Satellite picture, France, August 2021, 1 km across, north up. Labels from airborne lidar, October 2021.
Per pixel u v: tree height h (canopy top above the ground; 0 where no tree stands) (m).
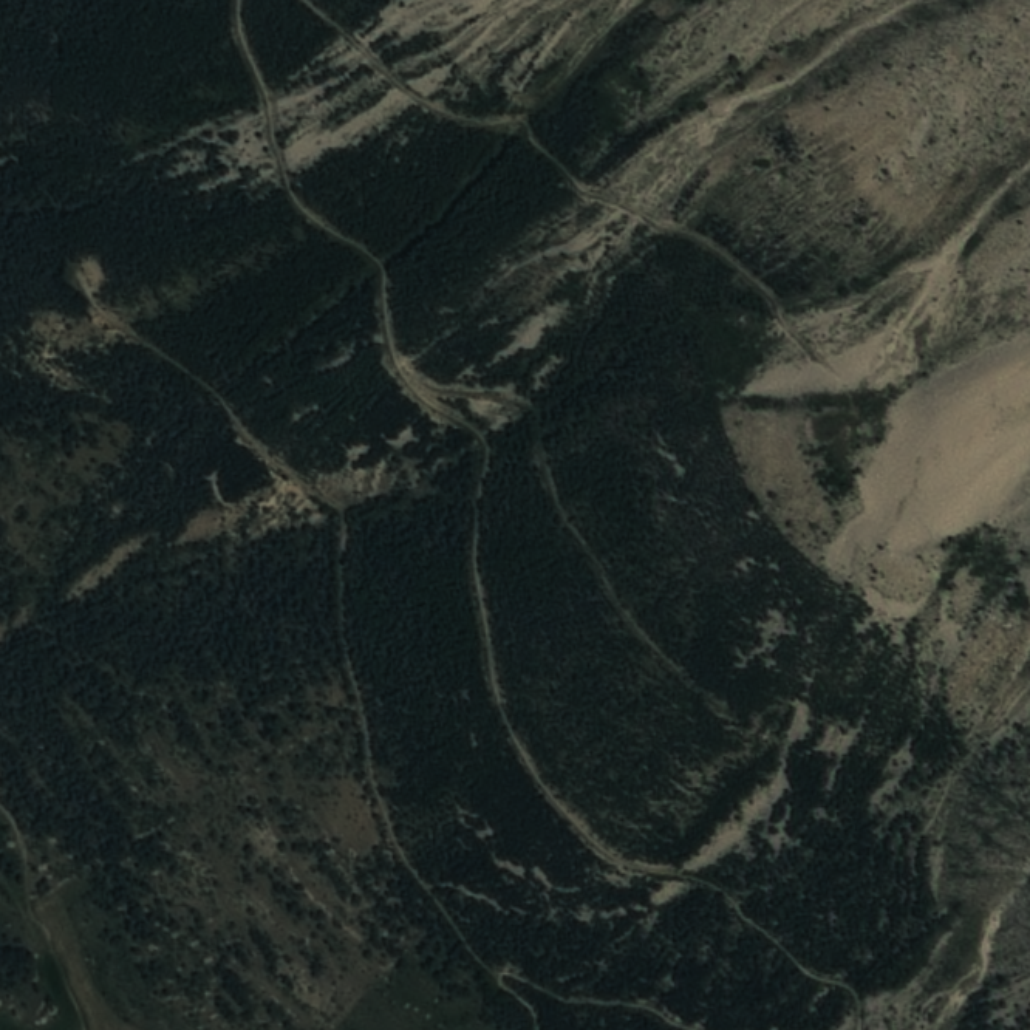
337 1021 0
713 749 6
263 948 8
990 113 0
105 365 11
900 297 0
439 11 0
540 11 0
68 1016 0
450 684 10
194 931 10
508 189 13
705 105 0
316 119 0
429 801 8
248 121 0
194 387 9
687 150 0
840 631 6
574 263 0
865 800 9
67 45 10
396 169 8
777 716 6
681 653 8
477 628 11
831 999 11
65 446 9
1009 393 0
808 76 0
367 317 7
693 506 7
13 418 8
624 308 12
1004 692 0
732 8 0
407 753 8
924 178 0
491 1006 9
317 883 0
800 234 0
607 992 11
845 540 0
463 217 12
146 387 7
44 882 8
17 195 16
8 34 9
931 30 0
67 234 9
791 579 6
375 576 8
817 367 0
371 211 14
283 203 9
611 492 8
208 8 6
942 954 0
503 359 9
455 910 8
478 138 11
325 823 0
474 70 0
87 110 6
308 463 8
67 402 9
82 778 9
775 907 8
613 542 6
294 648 9
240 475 10
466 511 8
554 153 10
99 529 9
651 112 0
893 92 0
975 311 0
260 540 7
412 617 10
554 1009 10
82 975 0
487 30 0
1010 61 0
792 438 0
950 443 0
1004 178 0
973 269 0
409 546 12
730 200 0
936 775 7
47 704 10
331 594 10
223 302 9
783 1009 9
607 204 0
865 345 0
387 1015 0
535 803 9
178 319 9
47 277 8
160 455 10
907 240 0
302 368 10
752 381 0
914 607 0
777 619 0
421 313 7
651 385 8
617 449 7
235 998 10
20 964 14
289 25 7
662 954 10
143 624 9
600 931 6
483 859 9
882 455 0
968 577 0
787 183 0
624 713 6
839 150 0
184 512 9
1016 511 0
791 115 0
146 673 8
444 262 7
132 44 7
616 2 0
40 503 0
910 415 0
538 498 7
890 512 0
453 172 10
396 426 9
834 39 0
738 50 0
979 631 0
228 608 8
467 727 8
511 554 8
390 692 9
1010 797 0
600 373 9
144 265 7
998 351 0
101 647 10
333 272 12
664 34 0
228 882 0
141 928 9
